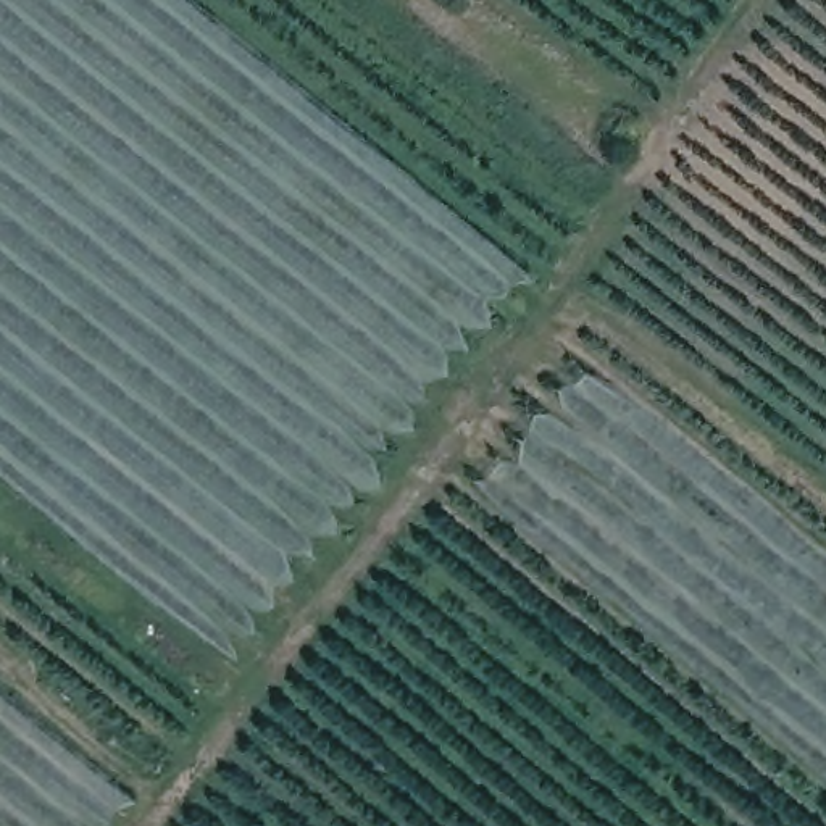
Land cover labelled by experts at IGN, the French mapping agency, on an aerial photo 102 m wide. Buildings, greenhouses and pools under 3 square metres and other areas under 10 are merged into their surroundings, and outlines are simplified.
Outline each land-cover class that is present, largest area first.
<instances>
[{"label":"deciduous trees","instance_id":"1","mask_svg":"<svg viewBox=\"0 0 826 826\"><path fill-rule=\"evenodd\" d=\"M642 148L639 142H632L629 148H613L610 158H600L594 165L581 152V145L565 132L561 123L536 110L529 100H519V94L510 84L490 81L471 55H465L436 29H429L403 0H0V487L19 494L39 513H45L52 526L74 539L106 571H113L123 584H129L161 613H168L174 623H181L187 632H194L203 645L216 649L223 658H236L232 636H255V616L261 610H274V590L294 581L290 558H313L316 536L339 532L336 510L352 507L358 490H381L374 452L384 448L390 436L413 432V413L426 400V384L448 378V352L468 348L465 329H490V303L503 300L510 287H529V281H552L555 261L568 252V236L581 232L584 226H597L603 207H597V200H603L613 190V184L639 161ZM529 6L539 19H545L558 39L584 45L603 68L629 77L652 100H668L678 94V74L687 71L690 55H697L703 45V32L720 23V16L729 10V0H516ZM774 32L794 52H800L807 61L826 71V55H820L784 23H774ZM761 52L781 71H787L794 81H800L820 100H826V87L797 65H791L771 42L761 45ZM732 61L742 71H749L768 94H774L826 132V119L800 97L774 84L752 58L732 52ZM723 84L736 97H742L755 113L781 126L797 145H803L826 165V145H820L797 123L784 119L778 110L758 100L742 81L723 74ZM642 119V113L632 103L613 100L603 103L597 113V139L603 132L620 136L626 123ZM726 113L752 139H758L784 165H791L800 177H807L826 194V177L813 171L807 161H800L794 152H787L774 136L758 129L742 110H736V103H726ZM697 123L710 136H716L729 152H736L752 171L765 174L778 190H784L803 210L816 213L826 223V207L800 187H794L771 165L755 158L749 145L732 139L710 116H697ZM678 139L697 158L723 171L732 184L749 190L761 207L781 216L807 242L826 252V239L816 229H810L800 216L774 203L761 187L745 181L703 142L678 132ZM684 177L697 181L707 194L720 197V203H729L732 213L752 223L761 236H768L778 248L794 255L826 284V268L803 248H797L791 239H784L778 229H771L758 213H752L736 197L720 190L710 177L694 171L687 161L681 165ZM668 194H678L697 216H703L726 239L742 245L749 255H755L765 268H771L778 277H784L794 290L810 297L826 313V300L813 294L794 271H787L781 261L761 252L752 239H745L736 226H729L716 210L700 203L690 190L668 184ZM655 210H661V216L671 226H678L703 252H710L716 261L745 277L758 294L787 310L813 336L826 339V329L813 323V316L803 307H797L778 287H771L765 277L745 268L736 255L723 252L687 219H681L658 194H652L649 200ZM632 226H639L652 242L671 248L707 284H713L742 310L758 316L791 348H797L826 371V355L800 342L794 332H787L771 313L749 303L742 290L716 277L690 252H684L678 242L658 232L642 213H629ZM626 248L649 261V268L668 277L678 290L690 294L694 303L716 313L720 323L749 339L765 358H771L784 374H791L800 387H807L816 400L826 403V387H820L807 371H800L794 361L774 352L758 332H752L710 297H703L671 265L649 255L642 245H636V239L623 236ZM607 261L616 271H623L629 281L649 290L681 323L700 332L710 345H716L749 374L765 381L778 397L794 403L797 413L810 416L826 432V416L797 400L787 387H781L774 374H768L742 348L713 332L703 319L687 313L678 300H671L658 284H652L645 274L626 265L616 252L603 248ZM587 284L600 287L613 307L636 316L661 342L684 352L697 368L713 374L774 432L787 436L791 442L803 445L820 461H826V448L813 442L803 429H797L771 403H765L755 390H749L739 378L726 374L697 345L678 336L665 319H658L652 310L632 300L623 287L607 281L600 271H587ZM578 339L587 348L610 358V384L578 378L574 384L561 387L552 371H542L539 381L519 374L516 390H510V400L513 410L532 413L529 432L516 429L513 423H500L503 439L519 448L516 461H494L487 474L474 461H465L461 471H452L448 484L458 487L455 503L465 507L471 519H481L487 532H494L510 552L526 558V565H532L552 587H558L565 597L578 600V607L597 616L600 632H590L581 620L568 616L558 603L536 590L516 568L497 558L474 532H468L448 513H442L436 516L432 532H426V539L416 542L410 555H403L390 584L374 581L368 571L355 581L352 594H345V600L323 623L336 629V639L326 642L313 632L307 645L316 652V661L310 665L297 655L290 668L300 671V684H290L287 674L281 678L277 687L287 697L284 707H274L265 697L255 710L268 716V726L261 729L248 716L239 726L248 736V749H236L232 742L226 755L207 771V778L200 784H190L187 797L165 826H826V513L813 500H807L800 487L787 484L761 461H755L694 403H687L665 381H658L652 371L623 355L610 339L581 326ZM32 584L42 587V594H48L74 620L87 623L90 632L110 642L142 674H148L171 697L181 700V707L190 710V690L165 671V665L129 649L106 626H100L87 600H71L58 581L32 574ZM13 603L29 620H35L52 639H61L71 652L94 665L103 678H110L119 690H126L142 710L161 720L168 729L184 732V723L168 707L152 700L145 687L123 674L103 652L84 642L77 632H71L65 623L52 620L23 587H16ZM42 665L55 668L74 687H81L94 710L123 720L129 736L139 729V723L126 710H119L103 690H97V684H90L84 674H77L68 661H61L52 652ZM119 810H129V797L110 787L90 768H84L58 742L42 736L16 710L6 707L0 713V826H110V820Z\"/></svg>","mask_w":826,"mask_h":826},{"label":"herbaceous vegetation","instance_id":"2","mask_svg":"<svg viewBox=\"0 0 826 826\"><path fill-rule=\"evenodd\" d=\"M429 29H436L465 55H471L490 81L510 84L519 94V100H529L536 110L561 123L565 132L581 145V152L594 165L600 158H610L613 148H629L632 142H639L642 148L639 161L613 184V190L603 200H597V207H603L597 226H584L581 232L568 236V252L555 261L552 281H529V287H510L503 300L490 303V329H465L468 348L448 352V378L426 384V400L413 413V432L390 436L384 448L374 452L381 490H358L352 507L336 510L339 532L316 536L313 558H290L294 581L274 590V610H261L255 616V636H232L236 658H223L216 649L203 645L194 632H187L181 623H174L168 613H161L129 584H123L113 571H106L74 539L52 526L45 513H39L19 494L0 487V713L6 707L16 710L42 736L58 742L84 768H90L110 787L129 797V810H119L110 820V826H165L187 797L190 784H200L207 778V771L226 755L232 742L236 749H248V736L239 726L248 716L261 729L268 726V716L255 710L265 697L274 707H284L287 697L277 687L281 678L287 674L290 684H300V671L290 668L297 655L310 665L316 661V652L307 645L313 632L326 642L336 639V629L323 623L345 600V594H352L355 581L368 571L374 581L390 584L403 555H410L416 542L426 539V532H432L436 516L442 513H448L468 532H474L497 558L516 568L536 590L558 603L568 616L581 620L590 632H600L597 616L578 607V600L565 597L558 587H552L532 565H526V558L510 552L494 532H487L481 519H471L465 507L455 503L458 487L448 484L452 471H461L465 461H474L487 474L494 461H516L519 448L503 439L500 423H513L516 429L529 432L532 413L513 410L510 400V390H516L519 374L539 381L542 371H552L561 387L574 384L578 378L610 384V358L587 348L578 339L581 326L610 339L623 355L652 371L658 381H665L687 403H694L755 461H761L787 484L800 487L807 500H813L826 513V461H820L803 445L791 442L787 436L774 432L713 374L697 368L684 352L661 342L636 316L613 307L600 287L587 284V271H600L607 281L623 287L632 300L652 310L658 319H665L678 336L697 345L726 374L739 378L749 390H755L765 403H771L797 429H803L813 442L826 448V432L810 416L797 413L794 403L778 397L765 381L749 374L716 345H710L700 332L681 323L649 290L629 281L623 271H616L607 261L603 248L616 252L626 265L645 274L652 284H658L671 300H678L687 313L703 319L713 332L742 348L768 374H774L781 387H787L797 400L826 416V403L816 400L807 387H800L791 374H784L771 358H765L749 339L720 323L716 313L694 303L690 294L678 290L668 277L649 268V261L626 248L623 236L636 239V245H642L649 255L671 265L703 297H710L752 332H758L774 352L794 361L800 371H807L820 387H826V371L797 348H791L758 316L742 310L713 284H707L671 248L652 242L639 226H632L629 213H642L658 232L678 242L684 252H690L716 277L742 290L749 303L771 313L787 332H794L800 342L826 355V339L813 336L787 310L758 294L745 277L716 261L710 252H703L678 226H671L661 216V210H655L649 200L652 194H658L681 219H687L723 252L736 255L745 268L765 277L771 287H778L797 307H803L813 316V323L826 329V313L810 297L794 290L784 277H778L771 268H765L755 255H749L742 245L726 239L703 216H697L678 194H668V184L690 190L700 203L716 210L729 226H736L745 239H752L761 252L781 261L787 271H794L813 294L826 300V284L794 255L778 248L768 236H761L752 223L732 213L729 203H720V197L707 194L697 181L684 177L681 165L687 161L694 171L710 177L720 190L736 197L752 213H758L771 229H778L784 239H791L797 248H803L826 268V252L807 242L781 216L761 207L749 190L732 184L723 171L697 158L678 139V132L703 142L745 181L761 187L774 203L800 216L810 229H816L826 239V223L816 213L803 210L784 190H778L765 174L752 171L736 152H729L716 136H710L697 123V116H710L732 139L749 145L755 158L771 165L794 187H800L826 207V194L807 177H800L791 165H784L758 139H752L726 113V103H736V110H742L758 129L774 136L787 152H794L800 161H807L813 171L826 177V165L803 145H797L781 126L755 113L742 97H736L723 84V74L742 81L758 100L778 110L784 119L797 123L820 145H826V132L774 94H768L749 71H742L732 61V52L752 58L774 84L800 97L826 119V100H820L800 81H794L787 71H781L761 52V45L771 42L791 65H797L826 87V71L807 61L800 52H794L774 32V23H784L820 55H826V0H729V10L720 16V23L703 32V45L697 55H690L687 71L678 74V94L668 100H652L629 77L603 68L584 45L558 39L545 19H539L529 6L516 0H403ZM613 100L632 103L642 113V119L626 123L620 136L603 132L597 139V113L603 103ZM32 574L58 581L71 600H87L100 626H106L129 649L165 665V671L190 690V710L181 707V700L171 697L148 674H142L110 642L90 632L87 623L74 620L48 594H42V587L32 584ZM16 587H23L52 620L65 623L71 632H77L84 642L103 652L123 674L145 687L152 700L168 707L184 723V732L168 729L161 720L142 710L126 690H119L110 678H103L94 665L71 652L61 639H52L35 620H29L13 603ZM52 652L61 661H68L77 674H84L90 684H97V690H103L119 710H126L139 723V729L129 736L123 720L94 710L81 687H74L55 668L42 665Z\"/></svg>","mask_w":826,"mask_h":826}]
</instances>
